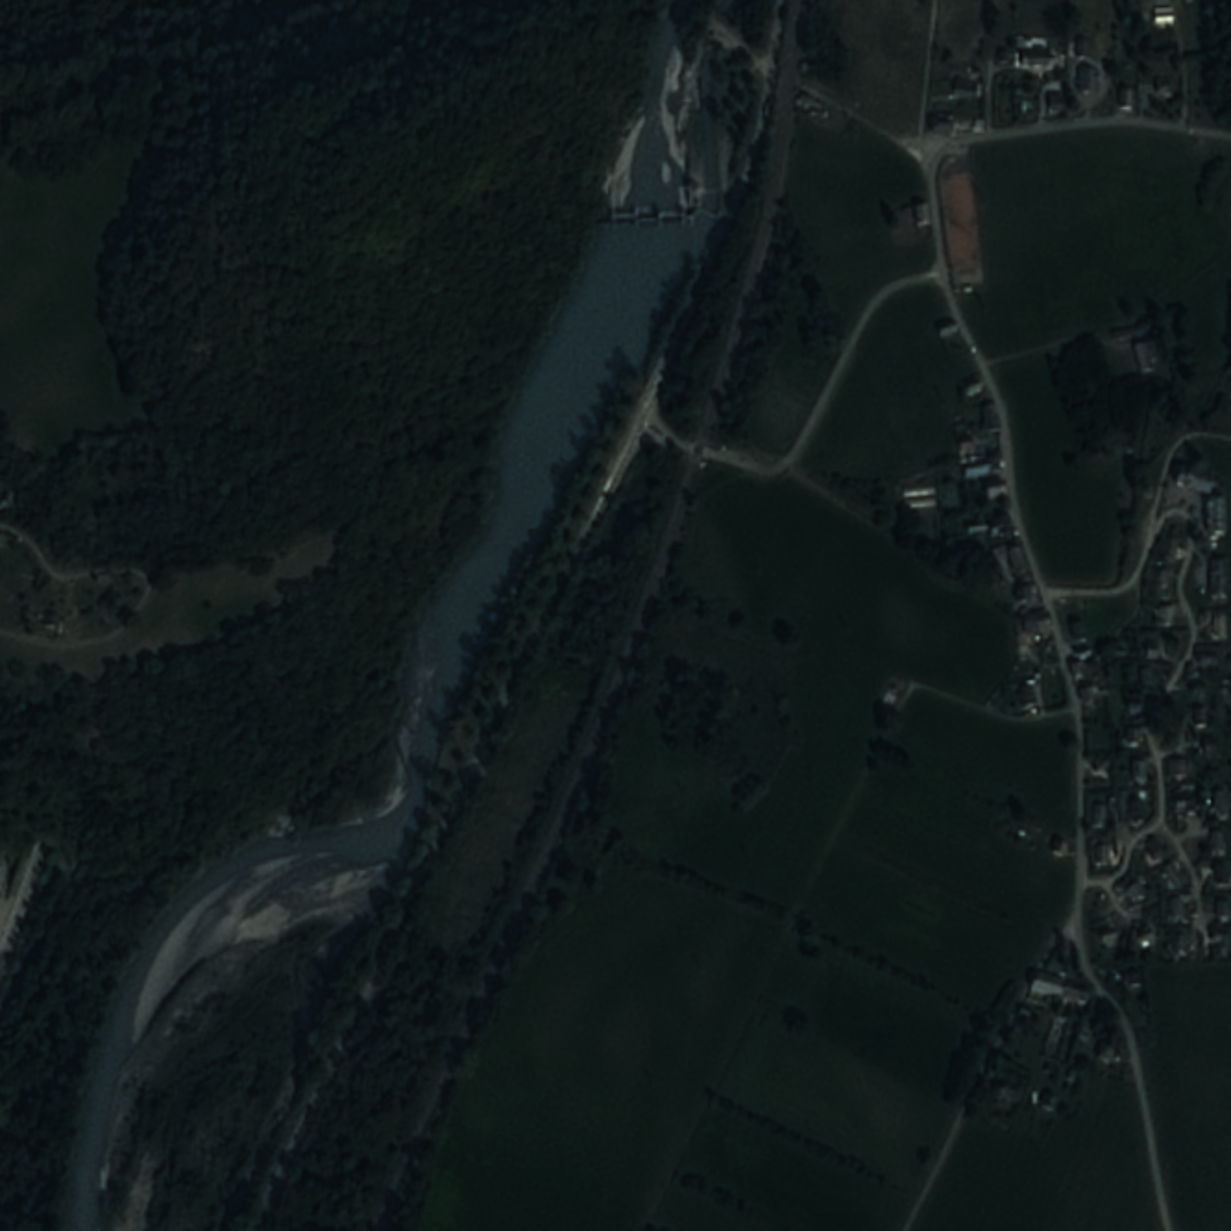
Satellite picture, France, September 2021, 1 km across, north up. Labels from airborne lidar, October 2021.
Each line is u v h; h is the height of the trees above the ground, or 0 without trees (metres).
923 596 0
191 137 25
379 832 0
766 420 0
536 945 18
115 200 0
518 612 16
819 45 18
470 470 23
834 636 0
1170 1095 0
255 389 17
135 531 20
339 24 23
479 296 17
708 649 0
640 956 0
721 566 0
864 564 0
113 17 26
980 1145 0
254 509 22
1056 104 0
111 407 0
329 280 19
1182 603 0
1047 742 0
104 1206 7
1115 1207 0
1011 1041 10
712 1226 0
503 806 0
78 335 0
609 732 14
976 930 0
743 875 0
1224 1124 0
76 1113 23
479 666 28
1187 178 0
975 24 0
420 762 0
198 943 0
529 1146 0
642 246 0
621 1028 0
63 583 0
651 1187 0
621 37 16
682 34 19
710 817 0
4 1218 17
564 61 11
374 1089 22
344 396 22
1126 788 0
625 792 0
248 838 17
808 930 16
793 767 0
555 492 0
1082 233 0
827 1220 0
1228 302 0
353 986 9
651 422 0
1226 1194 0
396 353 28
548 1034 0
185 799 17
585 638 18
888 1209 0
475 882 0
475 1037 18
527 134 17
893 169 0
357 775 16
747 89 11
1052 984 0
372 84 19
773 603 0
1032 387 0
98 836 15
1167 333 16
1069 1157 0
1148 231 0
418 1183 20
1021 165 0
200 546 21
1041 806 0
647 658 9
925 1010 0
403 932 14
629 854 6
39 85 18
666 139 0
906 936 0
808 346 18
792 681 0
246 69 20
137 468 17
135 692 18
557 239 31
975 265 0
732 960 0
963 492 11
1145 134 0
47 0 31
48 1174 14
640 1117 0
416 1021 11
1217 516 0
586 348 0
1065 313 0
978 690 0
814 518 0
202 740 18
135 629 14
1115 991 8
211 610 7
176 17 28
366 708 21
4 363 0
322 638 26
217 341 15
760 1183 0
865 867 0
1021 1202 0
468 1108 0
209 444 27
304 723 22
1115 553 0
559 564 18
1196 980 0
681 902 0
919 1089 0
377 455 17
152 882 16
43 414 0
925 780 0
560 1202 0
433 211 19
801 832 0
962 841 0
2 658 0
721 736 20
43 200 0
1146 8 0
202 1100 12
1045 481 0
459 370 26
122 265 20
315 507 17
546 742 0
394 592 24
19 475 12
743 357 16
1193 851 0
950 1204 0
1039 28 0
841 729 0
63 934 22
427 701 0
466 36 30
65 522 7
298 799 15
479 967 14
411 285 21
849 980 0
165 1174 7
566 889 25
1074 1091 6
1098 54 0
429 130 17
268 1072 10
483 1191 0
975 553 15
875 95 0
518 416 0
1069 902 0
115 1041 0
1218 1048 0
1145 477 12
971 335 0
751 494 0
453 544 24
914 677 0
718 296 21
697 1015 0
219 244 19
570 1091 0
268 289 20
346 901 0
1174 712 14
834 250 0
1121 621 0
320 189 17
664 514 6
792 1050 0
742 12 20
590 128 20
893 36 0
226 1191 7
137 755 19
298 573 0
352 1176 13
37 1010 21
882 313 0
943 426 0
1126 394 10
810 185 0
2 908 0
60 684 19
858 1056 0
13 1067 17
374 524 23
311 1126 13
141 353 21
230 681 18
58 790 7
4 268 0
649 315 0
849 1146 0
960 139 0
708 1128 0
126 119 22
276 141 16
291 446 18
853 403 0
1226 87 16
